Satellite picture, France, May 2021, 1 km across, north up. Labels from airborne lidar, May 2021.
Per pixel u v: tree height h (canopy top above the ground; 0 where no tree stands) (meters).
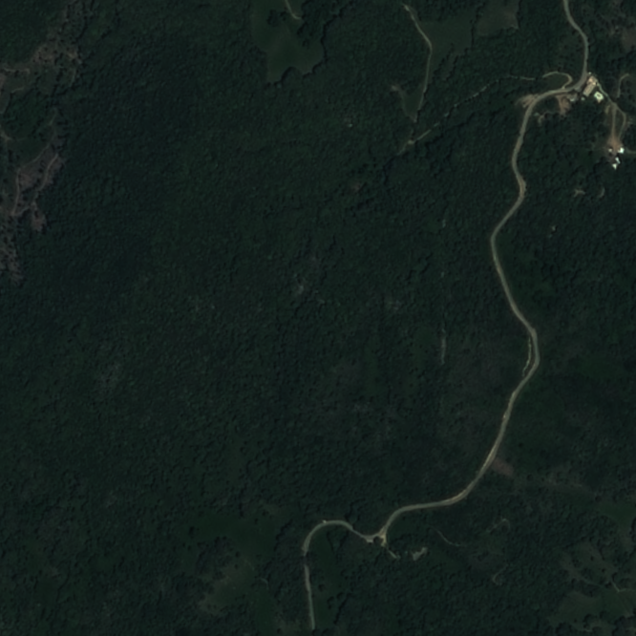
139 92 10
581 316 8
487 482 7
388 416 8
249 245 11
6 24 7
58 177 11
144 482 11
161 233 8
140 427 8
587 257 10
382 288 8
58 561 13
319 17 19
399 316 7
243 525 0
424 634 8
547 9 8
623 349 6
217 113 9
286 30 0
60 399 7
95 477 8
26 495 18
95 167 10
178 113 6
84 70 15
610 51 7
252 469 11
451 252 12
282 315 11
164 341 6
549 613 11
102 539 11
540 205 8
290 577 8
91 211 10
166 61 5
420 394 8
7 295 11
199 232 6
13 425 10
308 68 0
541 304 7
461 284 9
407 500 5
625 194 10
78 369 8
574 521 7
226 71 9
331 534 13
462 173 7
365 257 7
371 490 11
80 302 6
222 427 10
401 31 11
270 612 0
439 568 8
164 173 8
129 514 10
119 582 8
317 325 9
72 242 10
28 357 7
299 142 10
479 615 11
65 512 14
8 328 9
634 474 9
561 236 6
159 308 9
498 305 10
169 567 8
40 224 0
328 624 0
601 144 0
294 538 17
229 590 0
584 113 6
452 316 8
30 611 13
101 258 8
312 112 12
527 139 9
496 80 8
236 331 9
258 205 12
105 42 16
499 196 8
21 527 8
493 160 10
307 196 11
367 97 7
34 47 8
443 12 9
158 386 6
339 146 9
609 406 7
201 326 9
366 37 8
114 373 8
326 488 10
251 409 6
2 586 13
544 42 9
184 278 8
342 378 8
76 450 9
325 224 10
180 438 9
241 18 12
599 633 14
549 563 8
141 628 6
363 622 13
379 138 10
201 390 7
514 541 10
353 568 7
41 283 9
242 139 12
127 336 7
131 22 12
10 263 8
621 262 12
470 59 10
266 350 10
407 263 10
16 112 13
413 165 13
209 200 10
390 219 10
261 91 16
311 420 7
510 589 11
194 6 15
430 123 10
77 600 8
